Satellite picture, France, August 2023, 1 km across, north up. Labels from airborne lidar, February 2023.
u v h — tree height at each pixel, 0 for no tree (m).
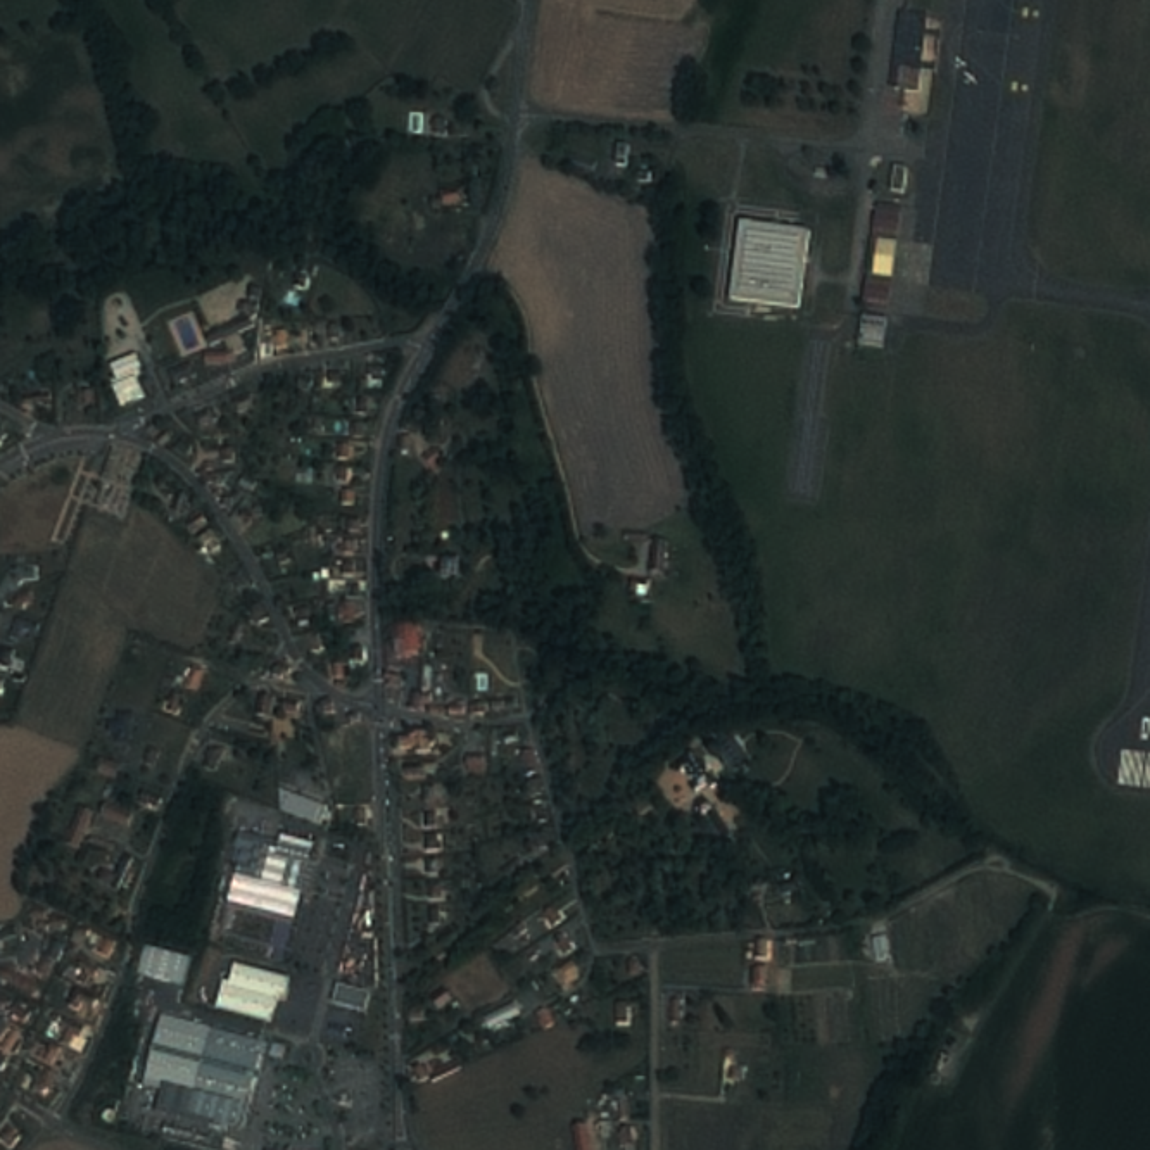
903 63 0
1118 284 0
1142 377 0
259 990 0
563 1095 0
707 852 18
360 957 0
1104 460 0
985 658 0
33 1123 0
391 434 0
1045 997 0
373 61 0
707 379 0
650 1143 0
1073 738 0
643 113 0
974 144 0
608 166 0
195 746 0
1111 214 0
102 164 0
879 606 0
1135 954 0
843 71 0
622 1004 0
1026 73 0
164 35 0
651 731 8
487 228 0
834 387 0
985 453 0
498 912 13
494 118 0
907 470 0
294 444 0
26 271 15
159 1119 0
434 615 20
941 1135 0
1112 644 0
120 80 15
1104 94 0
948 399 0
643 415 0
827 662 0
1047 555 0
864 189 0
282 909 0
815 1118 0
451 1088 0
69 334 21
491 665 0
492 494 11
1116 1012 0
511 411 11
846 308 0
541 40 0
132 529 0
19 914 0
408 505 0
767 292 0
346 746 0
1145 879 0
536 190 0
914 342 0
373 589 0
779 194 0
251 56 0
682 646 0
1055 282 0
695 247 0
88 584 0
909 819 0
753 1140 0
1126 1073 0
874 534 0
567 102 0
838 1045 0
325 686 0
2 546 0
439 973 14
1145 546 0
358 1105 0
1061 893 0
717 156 0
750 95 14
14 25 0
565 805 13
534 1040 0
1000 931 0
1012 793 0
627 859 6
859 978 0
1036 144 0
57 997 0
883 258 0
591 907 18
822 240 0
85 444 0
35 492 0
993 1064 0
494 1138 0
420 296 17
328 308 9
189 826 0
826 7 0
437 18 0
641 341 0
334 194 21
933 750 10
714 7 11
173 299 0
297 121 0
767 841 0
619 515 0
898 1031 0
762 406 0
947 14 0
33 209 0
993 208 0
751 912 18
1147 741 0
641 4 0
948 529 0
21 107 0
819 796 0
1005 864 0
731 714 26
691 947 0
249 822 0
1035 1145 0
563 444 0
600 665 25
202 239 19
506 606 18
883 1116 16
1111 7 0
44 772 0
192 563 0
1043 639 0
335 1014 0
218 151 0
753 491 0
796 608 0
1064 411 0
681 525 0
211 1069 0
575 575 0
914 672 0
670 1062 0
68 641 0
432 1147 0
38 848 14
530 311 0
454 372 0
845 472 0
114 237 27
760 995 0
